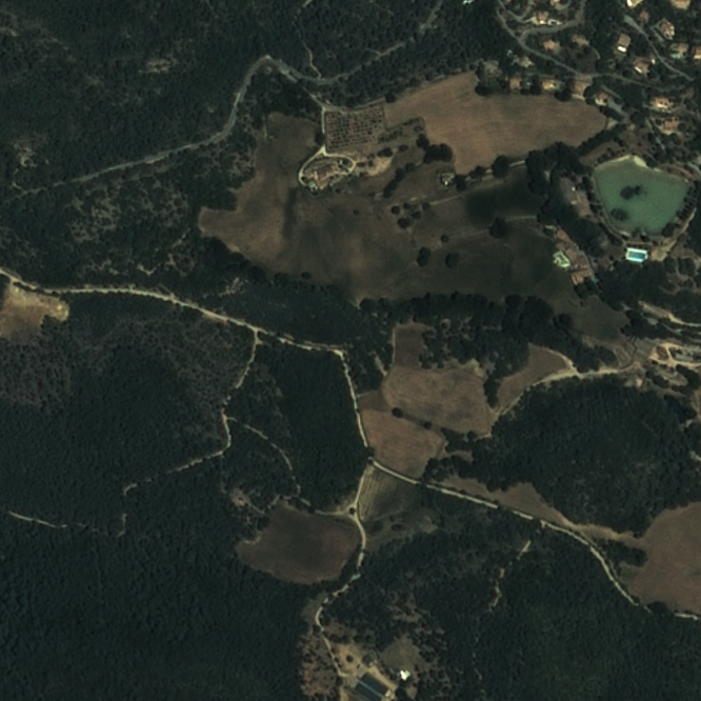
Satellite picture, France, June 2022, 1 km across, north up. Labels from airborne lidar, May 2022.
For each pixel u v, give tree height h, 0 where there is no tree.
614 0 10
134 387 15
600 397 12
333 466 10
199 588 8
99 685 7
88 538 13
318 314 6
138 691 15
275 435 8
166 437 11
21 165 10
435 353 8
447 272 0
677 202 0
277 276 10
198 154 7
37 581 10
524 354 10
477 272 0
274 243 0
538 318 23
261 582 10
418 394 0
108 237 11
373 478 0
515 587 10
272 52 9
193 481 11
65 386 12
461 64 12
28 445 12
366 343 7
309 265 0
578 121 0
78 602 14
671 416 10
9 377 7
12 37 7
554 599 6
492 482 9
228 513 13
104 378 7
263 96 13
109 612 14
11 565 12
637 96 13
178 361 7
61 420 13
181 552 17
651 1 6
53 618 12
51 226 7
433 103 0
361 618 10
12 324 0
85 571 13
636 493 6
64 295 7
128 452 14
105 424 11
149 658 13
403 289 0
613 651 6
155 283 9
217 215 0
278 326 8
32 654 12
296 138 0
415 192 0
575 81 7
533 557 8
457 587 10
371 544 0
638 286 10
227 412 10
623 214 9
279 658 11
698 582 0
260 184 0
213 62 9
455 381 0
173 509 11
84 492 13
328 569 0
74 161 10
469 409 0
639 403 7
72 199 8
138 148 9
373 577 10
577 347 14
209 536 9
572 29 7
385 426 0
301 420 8
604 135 11
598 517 8
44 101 6
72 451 10
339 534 0
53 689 7
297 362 10
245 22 9
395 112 0
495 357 8
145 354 8
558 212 17
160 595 11
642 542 0
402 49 10
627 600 8
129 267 8
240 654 13
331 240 0
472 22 12
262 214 0
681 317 7
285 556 0
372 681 0
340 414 10
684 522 0
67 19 6
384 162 0
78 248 10
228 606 15
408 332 0
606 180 0
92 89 11
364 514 0
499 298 0
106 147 6
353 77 12
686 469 18
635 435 8
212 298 6
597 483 6
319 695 12
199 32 8
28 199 10
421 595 8
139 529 13
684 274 7
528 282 0
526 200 0
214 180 8
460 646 10
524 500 0
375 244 0
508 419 9
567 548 7
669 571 0
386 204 0
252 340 7
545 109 0
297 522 0
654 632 8
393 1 9
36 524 13
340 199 0
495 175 9
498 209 0
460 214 0
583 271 0
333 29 11
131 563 17
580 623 13
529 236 0
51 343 9
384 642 12
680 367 10
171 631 19
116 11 10
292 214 0
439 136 0
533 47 7
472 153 0
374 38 6
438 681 7
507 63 8
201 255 10
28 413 6
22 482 13
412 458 0
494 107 0
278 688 10
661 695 10
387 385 0
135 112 11
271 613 8
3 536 14
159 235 12
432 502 6
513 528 9
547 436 10
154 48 11
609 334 0
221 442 11
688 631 7
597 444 7
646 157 8
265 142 0
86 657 12
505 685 10
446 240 11
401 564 9
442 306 20
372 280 0
